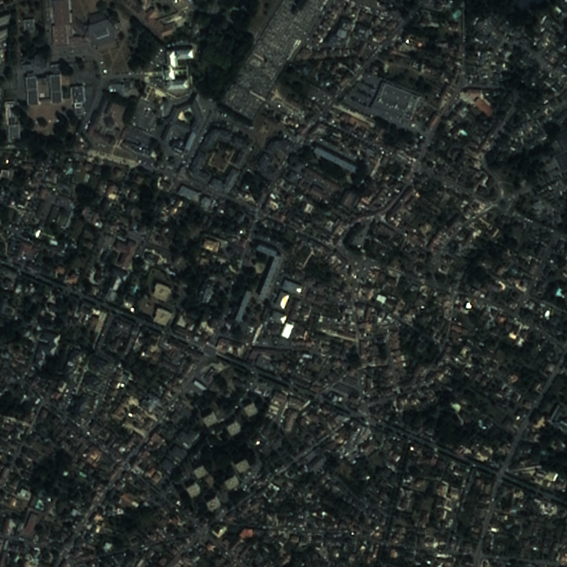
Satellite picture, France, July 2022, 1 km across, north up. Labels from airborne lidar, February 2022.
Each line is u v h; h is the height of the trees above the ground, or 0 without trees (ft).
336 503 29
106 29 0
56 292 45
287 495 34
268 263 0
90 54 0
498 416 0
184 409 0
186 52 0
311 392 29
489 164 26
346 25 0
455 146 24
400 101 0
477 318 34
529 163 48
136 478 20
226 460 84
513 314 0
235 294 46
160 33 0
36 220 40
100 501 0
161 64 0
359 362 69
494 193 30
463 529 41
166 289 0
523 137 0
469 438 28
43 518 0
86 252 21
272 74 0
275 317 0
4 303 0
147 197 62
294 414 0
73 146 34
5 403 37
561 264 35
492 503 0
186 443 0
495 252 56
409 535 21
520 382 22
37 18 0
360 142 22
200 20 52
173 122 0
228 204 35
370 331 0
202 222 43
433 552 0
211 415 0
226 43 88
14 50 81
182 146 0
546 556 27
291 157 38
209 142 0
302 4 41
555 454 47
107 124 0
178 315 28
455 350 30
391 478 22
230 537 27
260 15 0
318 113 0
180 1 0
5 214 85
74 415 62
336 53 0
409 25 26
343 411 28
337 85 20
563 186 0
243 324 0
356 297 0
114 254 26
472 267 33
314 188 0
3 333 65
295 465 29
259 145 0
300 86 30
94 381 0
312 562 24
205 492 17
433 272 0
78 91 0
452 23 0
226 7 37
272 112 0
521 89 63
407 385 0
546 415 35
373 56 0
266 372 29
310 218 38
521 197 33
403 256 28
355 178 50
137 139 0
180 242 53
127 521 62
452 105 0
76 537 0
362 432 0
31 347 26
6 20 0
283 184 0
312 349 0
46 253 27
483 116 27
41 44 46
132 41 24
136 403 0
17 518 62
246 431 49
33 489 31
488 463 25
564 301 44
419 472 40
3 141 65
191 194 0
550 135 69
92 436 20
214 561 22
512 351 31
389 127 41
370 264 0
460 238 0
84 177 0
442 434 43
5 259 32
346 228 0
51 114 0
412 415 34
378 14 0
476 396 30
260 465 0
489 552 45
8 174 0
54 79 0
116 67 0
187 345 29
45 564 29
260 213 0
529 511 19
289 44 0
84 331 50
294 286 0
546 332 44
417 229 0
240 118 47
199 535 0
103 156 0
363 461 26
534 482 31
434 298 22
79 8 0
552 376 0
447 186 0
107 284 25
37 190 23
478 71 0
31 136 70
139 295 34
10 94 0
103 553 34
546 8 48
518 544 22
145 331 31
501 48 0
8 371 24
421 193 30
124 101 33
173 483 30
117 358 37
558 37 27
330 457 21
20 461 36
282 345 0
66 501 21
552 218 0
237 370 43
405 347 29
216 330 0
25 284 31
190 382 0
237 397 52
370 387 0
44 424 22
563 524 22
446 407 47
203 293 0
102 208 36
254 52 0
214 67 66
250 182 56
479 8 54
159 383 22
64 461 85
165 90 0
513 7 75
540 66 37
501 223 23
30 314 41
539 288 0
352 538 0
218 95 54
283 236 43
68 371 0
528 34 20
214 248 0
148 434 0
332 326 0
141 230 26
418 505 46
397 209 0
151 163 0
